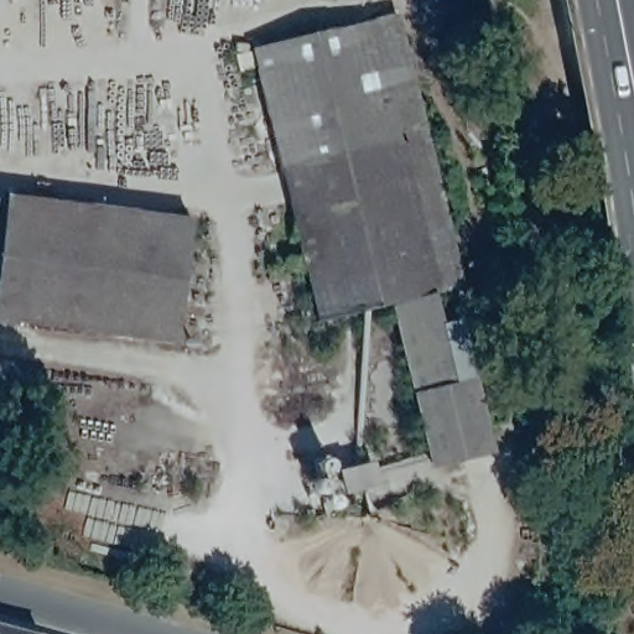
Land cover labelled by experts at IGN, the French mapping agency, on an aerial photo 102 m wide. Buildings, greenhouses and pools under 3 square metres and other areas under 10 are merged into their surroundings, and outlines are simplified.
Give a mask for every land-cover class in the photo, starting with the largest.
<instances>
[{"label":"pervious surface","instance_id":"1","mask_svg":"<svg viewBox=\"0 0 634 634\"><path fill-rule=\"evenodd\" d=\"M396 10L406 12L401 17V35L416 47L419 57L423 59V67H426L436 57L441 59L446 54V42L451 40V32L458 35L473 22H478L480 27L493 25L498 15L490 0H183L181 20H171L161 27V37H154V30L149 27V0H0V196L10 198V193H20L77 203L126 206L173 215H183L186 211H191L201 215L196 223V248H191L186 255L183 312L176 324L173 339L159 342V352L114 347L106 342L54 339L45 337L25 322L15 329L0 324V362L17 364L20 357L27 349H32L45 367L139 376L149 381L154 389V401L151 406H146V423L151 426V436L134 438L141 448L136 456L134 473H102L97 480L82 478V483H72L69 488V493L67 510L87 515L84 535L94 540L92 552L109 555L111 545H116L129 555L146 545L156 547L163 537L176 540L178 547L186 550V555L196 557L193 567L198 572H206L213 582H228L230 577L250 580L255 575L258 584L267 589L275 617L302 629H322L324 634H456L471 619L468 614L483 604V594L490 589L493 582L513 580L508 570V557L520 525L493 471L495 461L490 456H483L463 461L453 471H443L431 466L426 458H411L404 451V443L399 441L396 416L391 411V342L379 324H374V315L367 312L364 324V342L354 339L352 329H347L339 352L329 362H317L312 352H307L305 357L280 354V334L290 332V324L285 322V305L290 300L292 282L275 267L285 260L277 250V243L282 240L285 228L295 233V228L292 183L287 166L282 163V151L277 144L263 77L255 79L253 72L250 47H263L282 40L305 37L312 32L369 22ZM371 419H376V423L386 428V438L379 443L376 451L371 448V443L359 448V443H364V428ZM327 458H339L342 466L349 468L379 463V468L374 471L371 488L364 493L367 498L376 500L386 493H396L406 488L411 480H428L433 488L448 490L453 498L463 503V508H473L476 513V523L468 525V550H426L396 528V515L386 508H376L369 510L364 518L347 520H332L324 513V518L317 520V528L305 532L300 523L307 520L310 508L317 505L319 498L312 490L319 480H324ZM183 471L196 473L201 483L198 500L181 493ZM537 50L542 52L540 64L547 74V82H542L535 94V99L528 102L547 126H557L567 116L577 121L584 131L589 126L577 52L572 42V22L565 0H537V12L525 25Z\"/></svg>","mask_w":634,"mask_h":634},{"label":"deciduous trees","instance_id":"2","mask_svg":"<svg viewBox=\"0 0 634 634\"><path fill-rule=\"evenodd\" d=\"M525 42L523 32H518V20H505V15H498L493 25L480 27L478 22H473L458 35L451 32V40L446 42V54L441 59L436 57L426 67L441 82V89L453 111L483 131V156L488 161V173H480L478 168H461V163L448 154L451 134L443 116L438 114L431 94H421L433 139L431 151L438 156L441 183L446 188L451 220L458 233L473 215H480V211L493 213L500 225L495 240L505 245L503 260L483 263L480 277L471 285L473 295H478L473 302H468V307L473 310L476 334V347L468 354L480 374L493 423H525V436L532 441V448L525 451L518 468H513V478L518 480V485L510 488L505 495L520 525L540 535L542 542H535V555L528 562L530 567H535V577L532 594L528 597L523 612L525 624H518L513 634H634V265L624 253L622 243L614 240V233L607 223L604 198L614 193V181H607L604 176L607 139L602 141L597 131L589 126L584 131L577 121L567 116L557 126H547L537 144H530V154L525 159L523 171L515 173L513 151H518L520 146L518 119L523 116V106L528 102L535 99V94L528 89V82L520 74L530 69V64H540L542 52L537 50L523 54ZM532 206H537L542 213H570V228L562 230L557 238L542 235L535 225L525 223V211ZM302 228H295V233L285 228L282 240L277 243V250L285 260L275 267L292 282L290 300L285 305V322L290 324V332L280 334V354L305 357L307 352H312L317 362H329L339 352L347 329H352L354 339L364 342V324H352L349 315L337 319H319V305L312 290V280L305 277L310 267V255H302ZM374 324H379L391 342V411L396 416L399 441L404 443V451L411 458H426L431 451L426 441V423L419 411V396L414 394V381L404 354L396 310L381 307L374 315ZM79 446L72 441L64 426L62 394L54 381L47 379L42 386H12L10 401L0 404V552L12 555L27 570L54 567L62 572L106 577L104 562L89 565L82 562L77 555L59 550L57 537L64 530V523L42 525L37 518L45 495L62 490L69 493V488L62 485V480L72 468V458L77 456ZM386 438V428L376 423V419H371L364 428V443H359V448L371 443V448L376 451L379 443ZM186 555V550L178 547L176 540L163 537L156 547L146 545L129 555L126 567L119 575L109 577L114 592L129 604L126 612L131 617L156 622L161 614H173L181 604L188 607L193 582L181 570ZM191 614L206 617L218 634H263L270 619L275 617L267 589L258 584L255 575L250 580L230 577L228 582H213L208 584V594L198 597L188 607Z\"/></svg>","mask_w":634,"mask_h":634},{"label":"building","instance_id":"3","mask_svg":"<svg viewBox=\"0 0 634 634\"><path fill-rule=\"evenodd\" d=\"M406 12L396 10L369 22L312 32L305 37L282 40L263 47H250L253 72L255 79L263 77L277 144L282 151V163L287 166L292 183L295 228H302V255H310V267L305 277L312 280V290L319 305V319H337L349 315L352 324H364L367 312L374 315L381 307L396 310L404 354L414 381V394L419 396V411L426 423V441L431 451L426 458L431 466L443 471H453L463 461L483 456H490L495 461L503 433L490 428L493 423L480 374L468 354L476 347V334H468L466 319L451 322L443 310L446 295L463 277L458 233L451 220L446 188L441 183L438 156L431 151L433 139L421 94L419 72L423 67V59L419 57L416 47L401 35V17ZM201 215L191 211H186L183 215H173L126 206L77 203L20 193H10V198L0 196V324L15 329L25 322L45 337L54 339L106 342L114 347L159 352V342L173 339L176 324L183 312L186 255L191 248H196V223ZM47 379L45 367L32 349H27L20 357L17 364L0 362V404L10 401L12 386H42ZM379 468V463L349 468L342 466L339 458H327L324 480H319L312 490L319 498L317 505L342 510L347 508V498L352 493L367 498L364 493L371 488L374 471ZM0 634H35L32 627L0 619Z\"/></svg>","mask_w":634,"mask_h":634},{"label":"herbaceous vegetation","instance_id":"4","mask_svg":"<svg viewBox=\"0 0 634 634\"><path fill-rule=\"evenodd\" d=\"M183 0H149V27L154 30V37H161V27L171 20H181ZM498 15H505V20H518V32H523L525 42L523 54L537 50L525 25L537 12V0H490ZM528 82V89L535 94L542 82H547V74L540 64H530V69L520 74ZM421 94H431L438 114L443 116L451 134L448 154L461 163V168H478L480 173H488V161L483 156V131L453 111L441 89V82L426 67H423L419 72ZM547 126L528 102L523 106V116L518 119L520 146L518 151H513L515 173L523 171L525 159L530 154V144H537ZM570 213H542L537 206H532L525 211V223L535 225L542 235L557 238L562 230L570 228ZM500 225L493 213L480 211V215H473L458 233L463 277L446 295L443 310L451 322L466 319L468 334H476L473 310L468 307V302H473L478 295H473L471 285L480 277L483 263L503 260L505 245L495 240ZM47 379L54 381L62 394L64 426L72 441L79 446L77 456L72 458V468L62 480V485L69 488L72 483H82V478L97 480L102 473H134L136 456L141 448L134 438L151 436V426L146 423V406H151L154 401V389L149 381L139 376L45 367ZM490 428L503 433L495 461L493 471L505 495L510 488L518 485V480L513 478V468H518L525 451L532 448V441L525 436V423H493ZM69 493L62 490L45 495L37 518L42 525L64 523V530L57 537L59 550L77 555L82 562L89 565L104 562L106 577L62 572L54 567L27 570L12 555L0 552V577L35 582L64 594L82 597L87 602L126 612L129 604L114 592L109 577L119 575L126 567L129 555L116 545H111L109 555L92 552L94 540L84 535L87 515L67 510ZM535 542H542L540 535L520 525L508 557V570L513 580L493 582L490 589L483 594V604L468 614L471 619L456 634H513L518 624H525L523 612L528 597L532 594L535 577V567H530L528 562L535 555ZM196 557L186 555L181 570L193 582L188 607L198 597L208 594V584L213 582L206 572H198L193 567ZM156 622L196 629L201 634H218L206 617L191 614L188 607L181 604L173 614H161ZM263 634H324L322 629H302L275 617L270 619Z\"/></svg>","mask_w":634,"mask_h":634},{"label":"impervious surface","instance_id":"5","mask_svg":"<svg viewBox=\"0 0 634 634\"><path fill-rule=\"evenodd\" d=\"M572 22V42L577 52L589 126L597 131L602 141L607 139L604 176L607 181H614V193L604 198L607 223L614 233V240L622 243L624 253L634 265V0H565ZM0 619L32 627L35 634H201L196 629L156 622L131 617L126 612L87 602L82 597L64 594L35 582L0 577Z\"/></svg>","mask_w":634,"mask_h":634},{"label":"brushwood","instance_id":"6","mask_svg":"<svg viewBox=\"0 0 634 634\"><path fill-rule=\"evenodd\" d=\"M201 483L196 473L183 471L181 493L198 500ZM376 508H386L396 515V528L426 550H468V525L476 523V513L473 508H463V503L453 498L448 490L433 488L428 480H411L406 488L396 493H386L376 500L367 498L352 493L347 498V508L342 510L317 505L310 508L307 520L300 523L305 532L317 528V520L324 518V513L332 520H347L364 518L369 510Z\"/></svg>","mask_w":634,"mask_h":634}]
</instances>
